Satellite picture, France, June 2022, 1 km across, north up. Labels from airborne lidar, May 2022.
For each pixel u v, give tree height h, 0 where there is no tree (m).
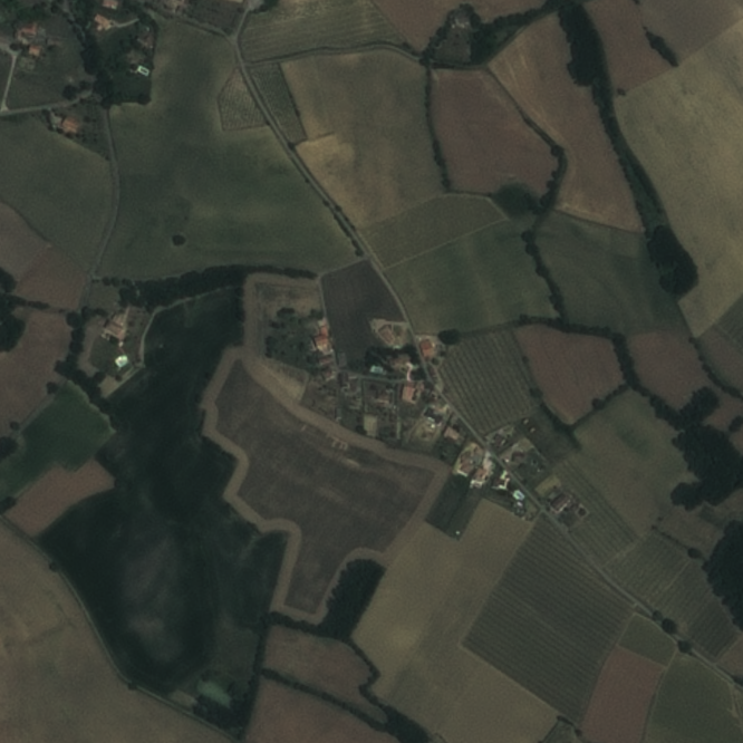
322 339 0
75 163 0
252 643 0
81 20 11
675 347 0
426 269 0
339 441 0
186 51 0
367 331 0
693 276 11
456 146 0
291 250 0
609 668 0
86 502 0
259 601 0
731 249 0
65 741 0
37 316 0
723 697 0
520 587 0
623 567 0
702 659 0
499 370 0
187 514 0
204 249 0
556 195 9
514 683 0
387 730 11
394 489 0
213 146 0
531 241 13
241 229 0
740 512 0
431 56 8
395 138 0
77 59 0
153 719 0
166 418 0
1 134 0
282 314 7
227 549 0
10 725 0
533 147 0
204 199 0
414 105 0
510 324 0
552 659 0
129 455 0
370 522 0
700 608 0
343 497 0
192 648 0
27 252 0
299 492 0
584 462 0
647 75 0
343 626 14
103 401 12
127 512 0
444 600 0
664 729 0
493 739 0
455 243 0
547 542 0
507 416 0
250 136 0
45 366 0
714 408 13
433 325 0
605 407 17
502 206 0
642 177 9
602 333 11
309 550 0
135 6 6
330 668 0
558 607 0
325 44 0
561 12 7
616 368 0
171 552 0
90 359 0
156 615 0
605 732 0
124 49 7
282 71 0
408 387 0
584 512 7
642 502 0
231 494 0
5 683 0
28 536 0
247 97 0
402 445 0
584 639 0
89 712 0
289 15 0
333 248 0
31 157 0
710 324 0
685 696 0
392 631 0
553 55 0
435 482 0
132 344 0
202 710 20
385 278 0
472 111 0
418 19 0
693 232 0
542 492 0
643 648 0
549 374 0
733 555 19
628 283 0
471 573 0
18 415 0
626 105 0
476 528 0
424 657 0
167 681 0
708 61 0
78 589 0
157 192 0
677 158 0
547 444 0
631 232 0
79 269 0
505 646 0
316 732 0
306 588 0
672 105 0
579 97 0
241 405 0
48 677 0
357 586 17
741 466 18
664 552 0
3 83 0
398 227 0
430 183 0
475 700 0
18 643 0
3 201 0
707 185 0
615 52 0
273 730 0
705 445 16
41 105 0
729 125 0
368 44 0
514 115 0
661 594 0
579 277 0
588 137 0
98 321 0
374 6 0
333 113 0
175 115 0
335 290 0
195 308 0
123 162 0
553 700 0
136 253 0
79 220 0
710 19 0
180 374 0
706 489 17
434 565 0
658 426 0
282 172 0
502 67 0
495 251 0
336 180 0
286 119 0
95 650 0
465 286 0
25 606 0
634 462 0
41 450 0
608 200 0
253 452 0
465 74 0
